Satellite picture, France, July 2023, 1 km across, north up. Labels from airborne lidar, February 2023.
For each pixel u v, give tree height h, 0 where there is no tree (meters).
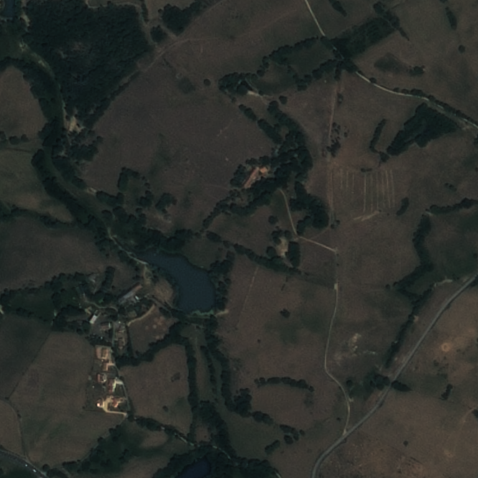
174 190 0
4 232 0
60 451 0
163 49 0
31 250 0
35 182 0
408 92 10
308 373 0
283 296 0
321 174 0
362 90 0
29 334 0
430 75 0
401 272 0
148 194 14
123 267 0
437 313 0
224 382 12
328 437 0
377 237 0
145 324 0
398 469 0
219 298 13
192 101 0
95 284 0
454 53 0
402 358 0
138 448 0
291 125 16
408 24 0
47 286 11
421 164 0
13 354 0
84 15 13
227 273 14
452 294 0
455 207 8
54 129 19
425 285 0
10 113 0
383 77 0
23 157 0
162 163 0
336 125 8
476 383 0
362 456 0
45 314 0
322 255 0
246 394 9
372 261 0
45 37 20
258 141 0
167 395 0
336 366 0
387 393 0
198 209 0
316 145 0
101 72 16
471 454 0
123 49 8
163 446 0
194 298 0
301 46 17
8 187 0
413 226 0
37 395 0
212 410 16
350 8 0
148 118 0
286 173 25
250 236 0
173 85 0
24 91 0
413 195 0
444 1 12
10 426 0
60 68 19
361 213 0
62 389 0
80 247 0
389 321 0
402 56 0
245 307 0
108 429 0
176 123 0
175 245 23
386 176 0
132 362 18
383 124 7
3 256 0
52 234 0
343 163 0
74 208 13
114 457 0
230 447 13
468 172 0
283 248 8
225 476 7
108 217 18
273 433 0
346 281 0
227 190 0
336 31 0
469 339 0
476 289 0
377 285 0
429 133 10
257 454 0
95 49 9
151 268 9
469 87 0
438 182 0
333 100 0
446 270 0
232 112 0
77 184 19
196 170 0
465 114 6
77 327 11
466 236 0
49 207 0
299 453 0
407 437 0
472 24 0
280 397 0
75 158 12
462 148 0
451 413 0
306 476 0
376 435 0
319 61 0
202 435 0
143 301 10
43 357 0
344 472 0
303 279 0
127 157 0
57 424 0
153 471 0
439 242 0
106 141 0
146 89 0
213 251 0
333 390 0
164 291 0
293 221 0
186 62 0
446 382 0
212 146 0
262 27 0
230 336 0
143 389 0
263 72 11
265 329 0
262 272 0
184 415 0
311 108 0
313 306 0
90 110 13
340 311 0
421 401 0
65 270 0
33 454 0
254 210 18
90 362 0
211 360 7
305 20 0
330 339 0
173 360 0
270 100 0
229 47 0
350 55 6
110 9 7
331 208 0
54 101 10
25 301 0
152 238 9
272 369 0
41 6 7
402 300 0
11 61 18
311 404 0
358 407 0
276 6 0
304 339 0
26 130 0
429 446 0
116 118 0
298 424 0
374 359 0
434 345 0
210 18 0
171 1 0
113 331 10
